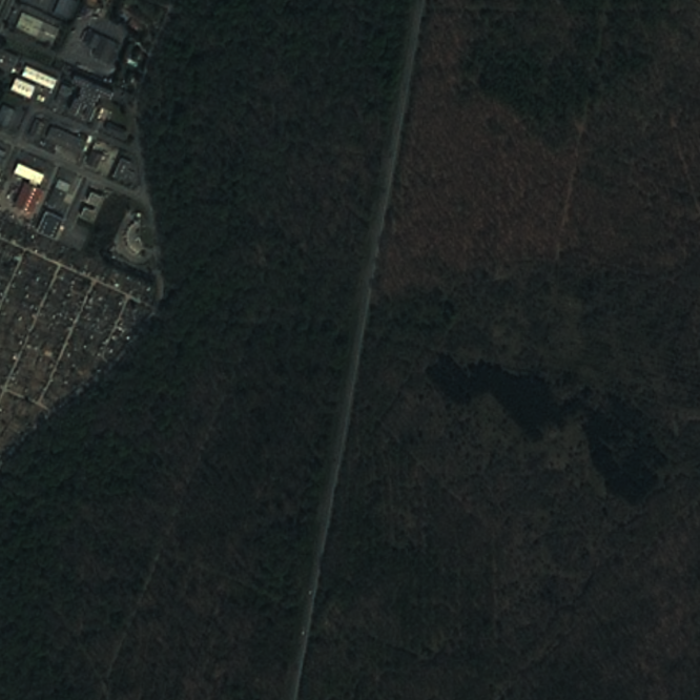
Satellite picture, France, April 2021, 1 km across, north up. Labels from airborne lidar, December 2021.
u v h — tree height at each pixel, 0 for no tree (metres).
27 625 20
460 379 13
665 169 10
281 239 22
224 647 6
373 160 23
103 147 0
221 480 29
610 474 12
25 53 0
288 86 6
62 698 18
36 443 17
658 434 7
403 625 10
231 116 21
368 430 8
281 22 19
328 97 21
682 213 8
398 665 11
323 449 16
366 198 6
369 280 0
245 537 26
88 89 0
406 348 13
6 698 21
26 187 0
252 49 19
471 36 11
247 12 20
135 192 0
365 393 10
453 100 16
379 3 21
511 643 9
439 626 11
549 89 10
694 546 18
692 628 15
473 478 8
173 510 22
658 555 17
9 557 10
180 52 19
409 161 11
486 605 7
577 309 0
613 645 19
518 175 11
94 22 0
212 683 22
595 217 16
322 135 20
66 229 0
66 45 0
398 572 13
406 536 10
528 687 19
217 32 23
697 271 9
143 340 20
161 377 19
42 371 0
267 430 27
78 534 25
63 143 0
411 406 6
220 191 15
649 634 20
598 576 13
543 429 8
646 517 11
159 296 0
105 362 0
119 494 24
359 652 25
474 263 11
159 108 17
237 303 20
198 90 13
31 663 22
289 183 18
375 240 0
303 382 27
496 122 12
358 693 10
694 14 9
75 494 20
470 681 11
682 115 7
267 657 19
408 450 12
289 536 18
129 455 16
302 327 18
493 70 17
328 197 22
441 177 11
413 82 11
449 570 12
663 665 10
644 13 15
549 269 7
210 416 25
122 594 24
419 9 0
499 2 16
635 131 10
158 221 15
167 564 20
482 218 11
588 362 0
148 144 17
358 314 0
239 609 23
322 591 7
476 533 19
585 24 13
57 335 0
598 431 11
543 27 16
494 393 11
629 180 12
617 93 12
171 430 22
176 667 22
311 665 15
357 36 19
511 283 8
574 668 19
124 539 17
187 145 15
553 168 11
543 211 12
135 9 15
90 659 24
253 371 23
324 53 21
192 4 16
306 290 20
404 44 16
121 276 0
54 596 16
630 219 16
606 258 13
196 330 23
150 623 22
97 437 21
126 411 22
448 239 13
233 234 15
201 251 22
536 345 5
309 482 14
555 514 8
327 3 17
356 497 11
